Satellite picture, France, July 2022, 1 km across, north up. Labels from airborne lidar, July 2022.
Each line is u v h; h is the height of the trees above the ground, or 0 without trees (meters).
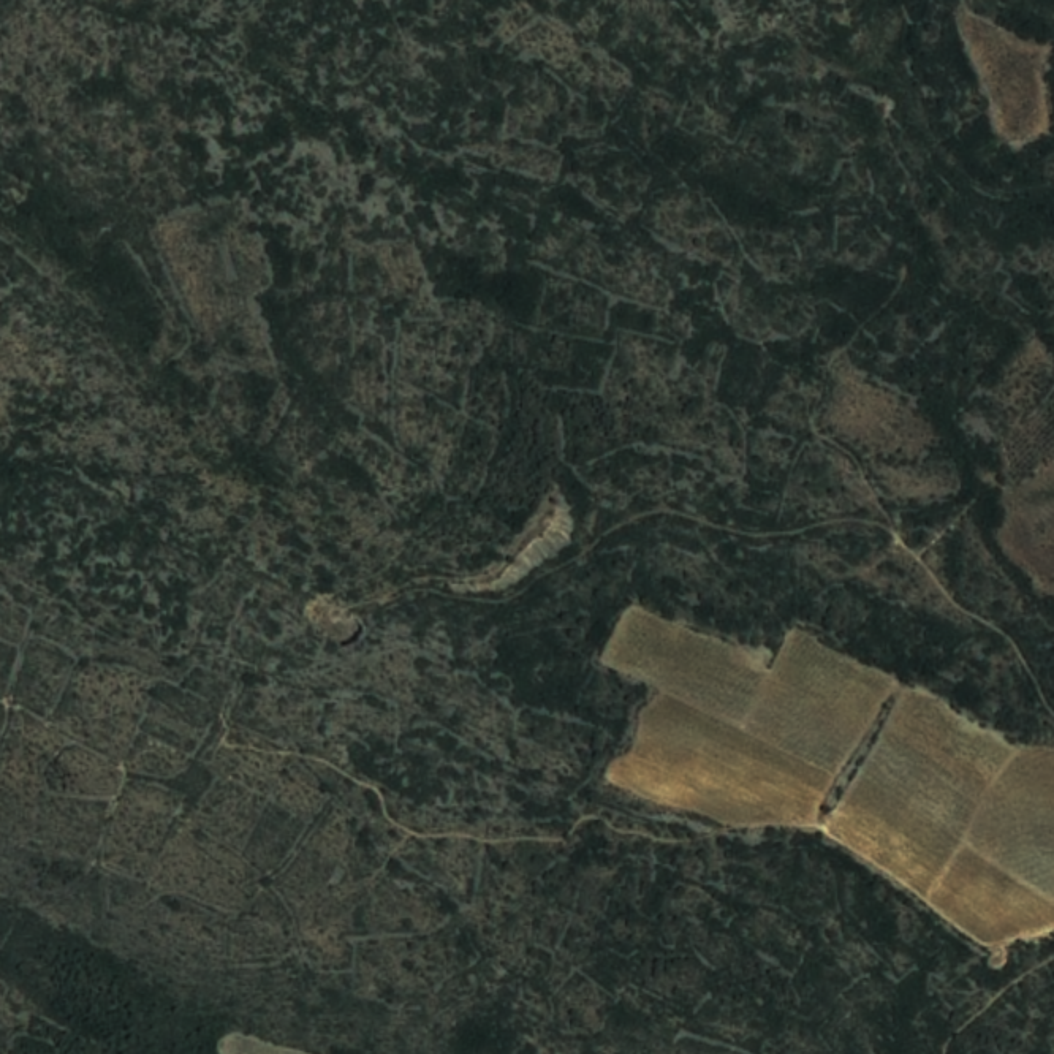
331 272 0
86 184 0
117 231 0
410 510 6
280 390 0
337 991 0
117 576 0
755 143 7
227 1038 0
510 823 0
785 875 0
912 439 0
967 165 6
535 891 8
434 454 0
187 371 0
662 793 0
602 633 6
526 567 0
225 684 0
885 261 0
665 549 0
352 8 0
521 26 0
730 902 8
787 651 0
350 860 0
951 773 0
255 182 0
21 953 0
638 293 0
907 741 0
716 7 0
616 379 0
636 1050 0
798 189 6
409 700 0
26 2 0
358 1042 0
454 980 0
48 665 0
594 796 12
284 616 0
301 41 0
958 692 5
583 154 0
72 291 0
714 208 0
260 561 0
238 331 0
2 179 9
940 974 0
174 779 0
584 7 0
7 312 0
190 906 0
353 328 0
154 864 0
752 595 7
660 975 10
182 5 0
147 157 0
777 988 9
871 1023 0
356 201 0
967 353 9
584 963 0
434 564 0
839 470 0
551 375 6
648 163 6
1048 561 0
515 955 0
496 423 9
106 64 0
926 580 0
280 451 0
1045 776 0
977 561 0
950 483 0
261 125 0
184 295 0
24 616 0
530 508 9
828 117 0
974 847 0
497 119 6
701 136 0
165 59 0
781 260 0
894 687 0
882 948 0
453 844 0
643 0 0
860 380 0
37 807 0
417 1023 0
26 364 0
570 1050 0
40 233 0
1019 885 0
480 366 9
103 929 0
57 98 0
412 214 0
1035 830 0
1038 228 0
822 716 0
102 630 0
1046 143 6
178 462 0
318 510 0
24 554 0
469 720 0
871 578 0
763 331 0
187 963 0
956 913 0
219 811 0
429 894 0
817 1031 0
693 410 10
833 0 0
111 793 0
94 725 0
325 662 0
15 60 0
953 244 7
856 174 0
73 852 0
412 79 0
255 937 0
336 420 0
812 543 0
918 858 0
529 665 0
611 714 8
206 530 0
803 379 6
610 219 0
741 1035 0
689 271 0
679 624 0
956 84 0
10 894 0
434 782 0
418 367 0
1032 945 0
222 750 0
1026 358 0
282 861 0
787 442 6
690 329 0
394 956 0
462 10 0
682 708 0
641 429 9
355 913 0
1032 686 5
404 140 0
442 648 0
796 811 0
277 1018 0
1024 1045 8
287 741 0
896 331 0
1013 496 0
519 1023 0
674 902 0
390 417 0
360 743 0
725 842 6
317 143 0
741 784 0
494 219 0
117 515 0
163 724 0
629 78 0
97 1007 7
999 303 8
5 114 0
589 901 0
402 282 0
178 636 0
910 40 8
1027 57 0
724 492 6
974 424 0
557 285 0
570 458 6
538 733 7
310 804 0
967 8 0
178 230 0
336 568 0
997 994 0
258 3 0
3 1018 0
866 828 0
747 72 0
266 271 0
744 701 0
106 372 0
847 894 0
